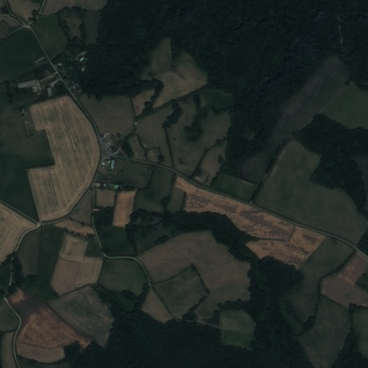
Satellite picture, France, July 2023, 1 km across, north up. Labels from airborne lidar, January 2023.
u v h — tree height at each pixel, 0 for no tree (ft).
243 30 65
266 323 31
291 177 0
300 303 0
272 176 0
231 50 78
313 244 0
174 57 24
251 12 37
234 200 0
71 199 0
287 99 61
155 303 0
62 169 0
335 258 0
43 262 0
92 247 0
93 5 0
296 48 47
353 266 0
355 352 40
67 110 0
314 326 41
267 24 93
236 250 62
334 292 0
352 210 0
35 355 0
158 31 83
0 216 0
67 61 17
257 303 75
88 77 45
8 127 0
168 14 89
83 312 0
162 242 40
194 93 29
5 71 0
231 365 75
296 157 0
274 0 78
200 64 33
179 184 0
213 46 86
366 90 54
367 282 0
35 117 0
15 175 0
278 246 0
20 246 0
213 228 24
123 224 0
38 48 0
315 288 0
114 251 0
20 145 0
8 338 0
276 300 24
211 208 0
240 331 0
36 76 0
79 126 0
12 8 0
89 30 0
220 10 67
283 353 80
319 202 0
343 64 0
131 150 24
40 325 0
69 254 0
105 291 21
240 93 34
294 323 0
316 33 42
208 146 0
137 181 0
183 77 0
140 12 52
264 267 71
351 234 0
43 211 0
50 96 20
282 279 61
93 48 52
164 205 33
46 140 0
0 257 0
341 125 29
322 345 0
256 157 0
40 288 0
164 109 0
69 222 0
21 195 0
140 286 0
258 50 74
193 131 29
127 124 0
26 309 0
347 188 19
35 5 0
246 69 57
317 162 0
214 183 43
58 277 0
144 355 47
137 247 40
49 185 0
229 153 28
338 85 0
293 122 0
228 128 0
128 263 0
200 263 0
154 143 0
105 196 0
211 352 62
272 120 0
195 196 0
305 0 55
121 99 0
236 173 30
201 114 28
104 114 0
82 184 0
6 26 0
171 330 35
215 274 0
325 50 42
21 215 0
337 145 55
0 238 0
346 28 78
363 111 0
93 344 47
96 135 0
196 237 0
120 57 29
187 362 65
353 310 43
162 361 57
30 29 0
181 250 0
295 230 0
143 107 0
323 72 0
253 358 28
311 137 30
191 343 50
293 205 0
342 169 50
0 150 0
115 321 29
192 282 0
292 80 26
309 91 0
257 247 0
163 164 0
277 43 75
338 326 0
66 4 0
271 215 0
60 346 0
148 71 0
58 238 0
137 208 0
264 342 55
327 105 0
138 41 19
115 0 44
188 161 0
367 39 63
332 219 0
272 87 100
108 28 51
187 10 21
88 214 0
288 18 79
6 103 0
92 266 0
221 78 63
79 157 0
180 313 0
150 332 52
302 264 0
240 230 31
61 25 25
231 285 0
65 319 0
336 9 69
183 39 64
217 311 35
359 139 67
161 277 0
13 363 0
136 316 46
